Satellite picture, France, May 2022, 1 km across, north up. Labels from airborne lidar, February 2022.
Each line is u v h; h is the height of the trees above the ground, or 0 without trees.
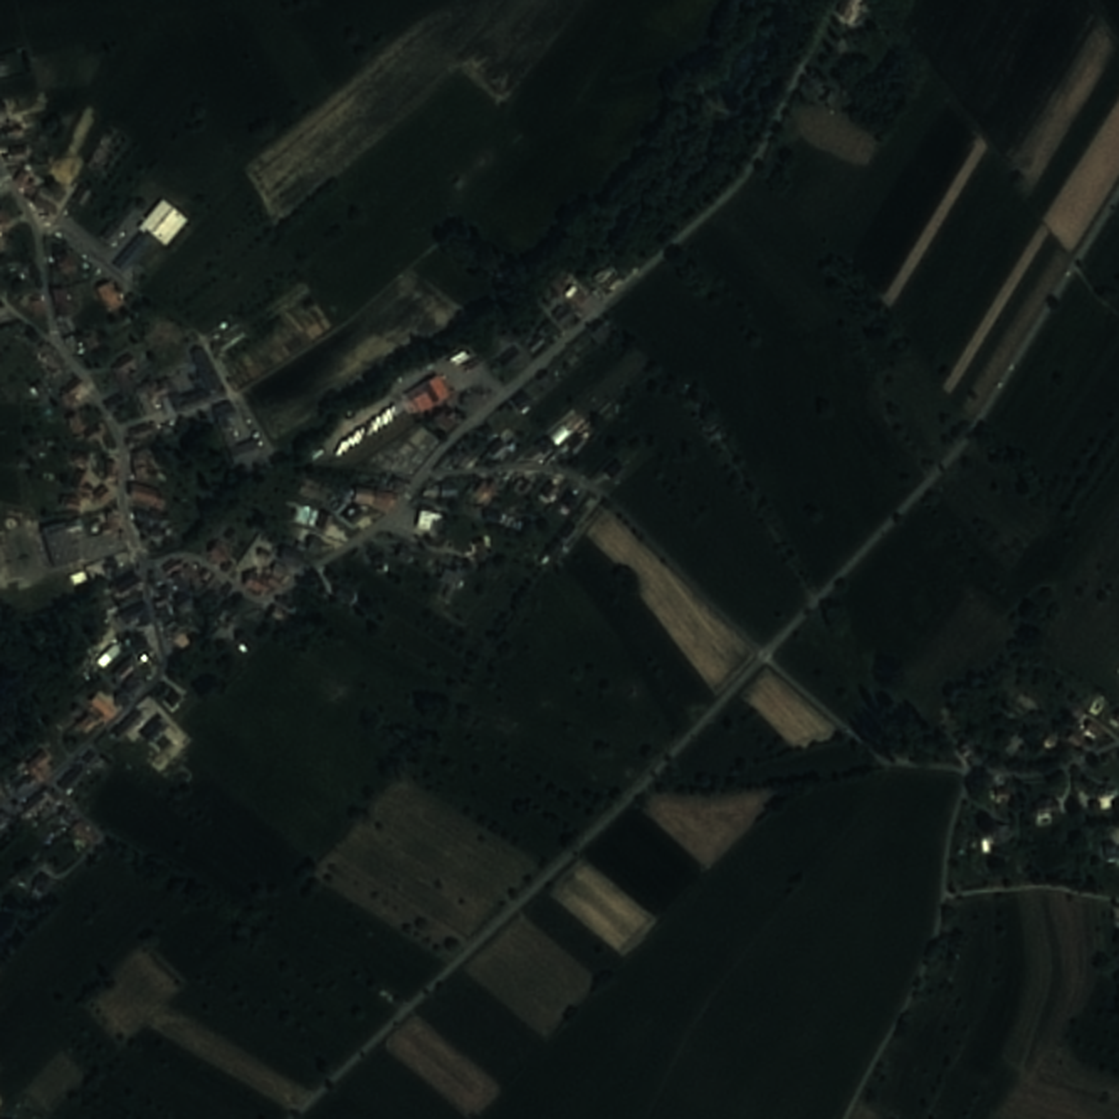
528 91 0
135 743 0
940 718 0
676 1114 0
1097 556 0
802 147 0
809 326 0
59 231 0
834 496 0
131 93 0
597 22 0
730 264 0
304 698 0
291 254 0
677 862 0
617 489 0
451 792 0
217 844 0
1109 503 0
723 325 0
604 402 0
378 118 0
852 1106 0
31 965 0
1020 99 0
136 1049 7
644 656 0
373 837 0
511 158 0
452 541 0
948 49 0
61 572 0
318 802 0
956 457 0
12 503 0
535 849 0
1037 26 0
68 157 0
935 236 0
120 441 0
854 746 9
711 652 0
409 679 0
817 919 0
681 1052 0
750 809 0
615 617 0
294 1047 0
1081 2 0
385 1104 0
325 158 0
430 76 0
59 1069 0
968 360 0
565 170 0
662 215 12
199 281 0
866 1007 0
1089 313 0
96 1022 0
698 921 0
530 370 0
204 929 0
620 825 0
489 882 0
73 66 0
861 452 0
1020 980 0
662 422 0
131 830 0
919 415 0
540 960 0
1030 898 0
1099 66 0
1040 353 0
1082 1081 0
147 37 0
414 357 7
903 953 0
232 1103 0
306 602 0
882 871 0
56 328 0
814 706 0
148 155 0
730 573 0
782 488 0
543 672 0
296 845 0
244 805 0
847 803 0
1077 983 0
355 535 0
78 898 0
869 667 0
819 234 0
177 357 0
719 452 7
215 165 0
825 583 0
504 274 19
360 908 0
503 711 0
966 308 0
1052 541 0
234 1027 0
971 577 0
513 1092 0
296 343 0
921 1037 0
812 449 0
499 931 0
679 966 0
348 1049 0
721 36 19
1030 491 16
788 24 31
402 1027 0
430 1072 0
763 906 0
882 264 0
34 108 0
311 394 0
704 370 0
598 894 0
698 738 0
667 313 0
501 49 0
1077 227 0
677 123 20
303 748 0
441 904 0
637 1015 0
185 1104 0
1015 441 0
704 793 7
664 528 0
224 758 0
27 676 25
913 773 0
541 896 0
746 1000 0
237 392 0
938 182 0
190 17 0
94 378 0
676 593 0
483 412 0
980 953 0
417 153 0
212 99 0
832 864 0
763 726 0
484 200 0
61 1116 0
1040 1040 0
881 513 0
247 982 0
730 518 0
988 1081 0
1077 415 0
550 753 0
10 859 0
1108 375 0
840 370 0
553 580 0
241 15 0
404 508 0
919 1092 0
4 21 0
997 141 0
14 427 0
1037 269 0
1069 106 0
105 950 0
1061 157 0
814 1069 0
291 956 0
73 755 0
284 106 0
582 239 20
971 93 0
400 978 0
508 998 0
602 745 8
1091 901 0
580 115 0
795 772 0
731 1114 0
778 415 0
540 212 0
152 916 0
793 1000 0
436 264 0
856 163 0
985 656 0
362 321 0
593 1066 0
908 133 0
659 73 0
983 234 0
